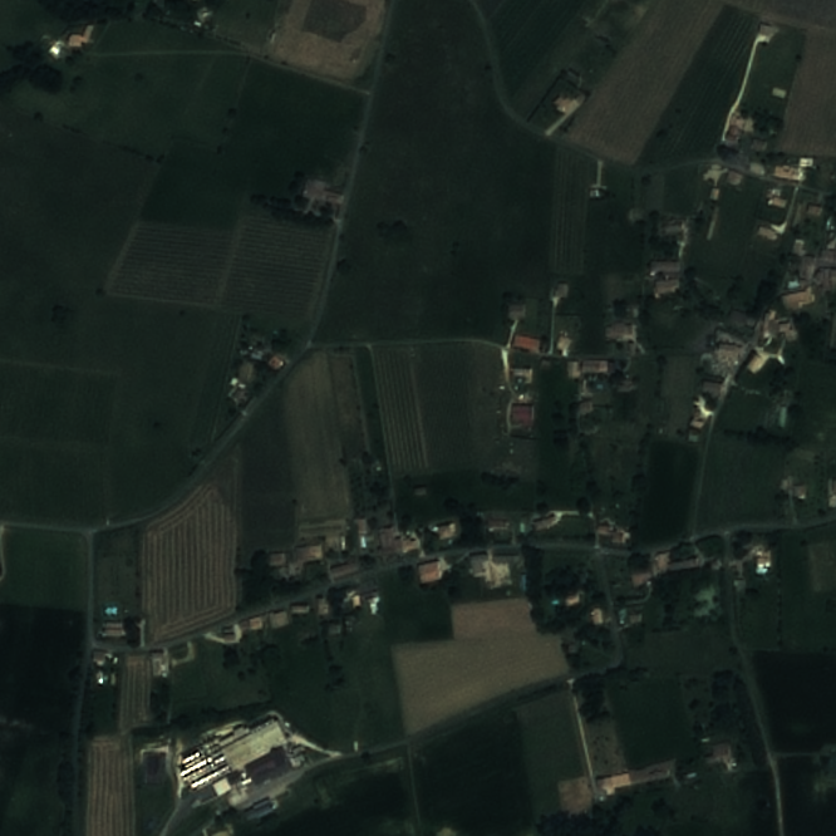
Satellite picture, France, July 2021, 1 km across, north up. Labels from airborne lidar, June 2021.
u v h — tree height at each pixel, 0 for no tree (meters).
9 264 0
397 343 0
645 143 0
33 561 0
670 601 7
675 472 0
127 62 0
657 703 0
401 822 0
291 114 0
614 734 0
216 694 0
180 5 13
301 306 0
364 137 0
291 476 0
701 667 0
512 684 0
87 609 0
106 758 0
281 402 0
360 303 0
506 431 0
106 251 0
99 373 0
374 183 0
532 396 0
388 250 0
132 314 0
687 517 0
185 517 0
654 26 0
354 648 0
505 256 0
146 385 0
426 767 0
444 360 0
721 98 0
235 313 0
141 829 0
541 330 0
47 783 0
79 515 0
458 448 0
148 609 0
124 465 0
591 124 0
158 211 0
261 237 0
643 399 0
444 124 0
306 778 0
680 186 0
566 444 14
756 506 0
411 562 0
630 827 0
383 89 0
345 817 0
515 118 0
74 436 0
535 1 0
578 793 0
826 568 0
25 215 0
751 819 0
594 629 10
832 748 0
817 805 0
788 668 0
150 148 0
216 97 0
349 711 0
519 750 0
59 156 0
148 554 0
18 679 0
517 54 0
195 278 0
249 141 0
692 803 0
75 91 8
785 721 0
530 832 0
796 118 0
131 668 0
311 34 0
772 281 7
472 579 0
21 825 0
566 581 11
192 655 0
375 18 0
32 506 0
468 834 0
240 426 0
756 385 0
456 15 0
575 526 0
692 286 15
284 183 0
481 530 16
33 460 0
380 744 0
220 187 0
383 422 0
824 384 0
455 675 0
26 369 0
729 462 0
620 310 14
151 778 0
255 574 9
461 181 0
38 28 0
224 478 0
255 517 0
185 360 0
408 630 0
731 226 0
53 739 0
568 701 0
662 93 0
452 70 0
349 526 0
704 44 0
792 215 0
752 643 0
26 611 0
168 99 0
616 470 0
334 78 0
